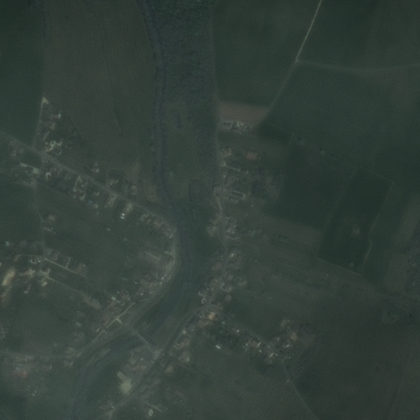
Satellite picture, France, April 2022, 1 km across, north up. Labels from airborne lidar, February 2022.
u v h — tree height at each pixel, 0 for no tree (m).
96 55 0
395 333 0
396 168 0
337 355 0
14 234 0
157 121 15
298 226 0
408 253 0
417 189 0
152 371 0
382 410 0
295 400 0
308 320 0
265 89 0
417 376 0
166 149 7
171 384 0
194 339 0
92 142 0
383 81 0
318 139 0
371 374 0
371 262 0
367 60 0
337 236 0
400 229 0
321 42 0
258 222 0
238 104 0
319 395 0
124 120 0
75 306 0
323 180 0
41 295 0
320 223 0
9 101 0
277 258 0
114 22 0
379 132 0
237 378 0
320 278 0
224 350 0
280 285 0
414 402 0
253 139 0
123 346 0
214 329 0
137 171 0
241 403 0
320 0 0
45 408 0
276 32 0
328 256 0
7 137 0
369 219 0
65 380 0
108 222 0
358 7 0
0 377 0
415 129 0
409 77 0
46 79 0
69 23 0
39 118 0
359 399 0
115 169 0
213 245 0
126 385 0
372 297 0
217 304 0
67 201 0
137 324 0
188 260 0
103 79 0
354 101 0
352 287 0
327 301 0
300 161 0
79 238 0
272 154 0
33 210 0
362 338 0
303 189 0
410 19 0
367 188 0
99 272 0
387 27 0
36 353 0
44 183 10
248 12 0
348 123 0
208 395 0
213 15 0
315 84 0
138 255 0
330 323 0
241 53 0
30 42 0
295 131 0
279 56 0
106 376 0
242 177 13
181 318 0
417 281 6
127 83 0
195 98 21
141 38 0
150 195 0
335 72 0
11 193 0
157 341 0
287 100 0
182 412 0
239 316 0
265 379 0
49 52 0
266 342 0
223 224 0
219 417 0
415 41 0
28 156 0
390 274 0
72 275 0
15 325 0
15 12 0
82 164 0
